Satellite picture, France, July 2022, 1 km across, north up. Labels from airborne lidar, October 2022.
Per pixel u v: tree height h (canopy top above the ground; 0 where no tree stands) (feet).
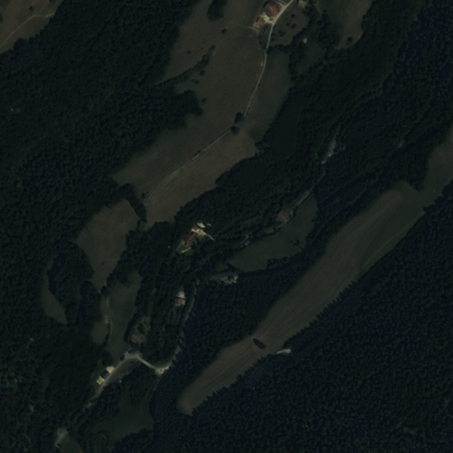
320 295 0
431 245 91
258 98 0
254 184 71
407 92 70
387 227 0
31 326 85
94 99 99
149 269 107
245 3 0
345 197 82
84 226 101
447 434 42
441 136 47
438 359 75
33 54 110
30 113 96
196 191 0
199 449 97
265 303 69
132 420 0
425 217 25
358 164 60
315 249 80
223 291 51
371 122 86
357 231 0
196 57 0
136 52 67
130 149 75
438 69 33
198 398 0
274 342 0
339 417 87
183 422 82
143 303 77
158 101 75
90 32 31
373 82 81
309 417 90
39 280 93
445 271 104
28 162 19
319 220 36
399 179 31
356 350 99
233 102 0
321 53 0
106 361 70
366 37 73
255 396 111
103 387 0
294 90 46
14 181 26
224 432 79
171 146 0
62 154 72
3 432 69
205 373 0
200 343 35
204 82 0
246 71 0
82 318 73
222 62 0
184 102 84
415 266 91
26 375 92
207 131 0
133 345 66
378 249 0
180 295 0
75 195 107
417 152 62
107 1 35
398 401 79
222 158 0
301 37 62
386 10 50
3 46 0
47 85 79
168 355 23
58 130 107
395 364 60
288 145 70
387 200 0
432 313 76
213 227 65
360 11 0
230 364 0
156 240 104
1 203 112
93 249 0
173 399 62
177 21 80
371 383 61
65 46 107
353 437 82
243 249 26
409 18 63
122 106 57
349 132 80
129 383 34
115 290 0
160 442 88
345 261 0
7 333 38
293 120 77
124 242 0
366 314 110
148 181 0
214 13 53
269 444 51
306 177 70
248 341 0
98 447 0
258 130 0
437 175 0
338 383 82
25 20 0
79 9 89
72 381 44
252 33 0
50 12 0
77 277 87
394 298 85
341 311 84
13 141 72
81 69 97
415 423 74
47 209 123
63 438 0
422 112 87
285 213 0
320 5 0
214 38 0
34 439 32
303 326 0
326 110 37
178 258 78
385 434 65
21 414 119
